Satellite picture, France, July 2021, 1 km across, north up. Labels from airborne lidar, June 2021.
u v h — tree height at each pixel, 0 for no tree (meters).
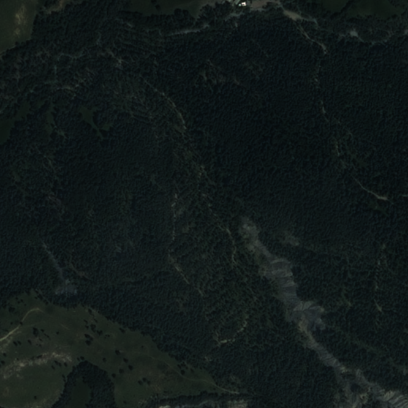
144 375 0
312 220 24
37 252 9
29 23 0
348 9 13
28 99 14
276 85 28
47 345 0
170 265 8
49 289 13
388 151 22
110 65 13
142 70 7
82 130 31
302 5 15
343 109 23
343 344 20
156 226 14
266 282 15
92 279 6
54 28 9
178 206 9
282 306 19
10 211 28
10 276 24
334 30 9
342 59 27
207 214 21
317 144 11
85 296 20
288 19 8
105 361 7
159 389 0
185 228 13
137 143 21
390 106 15
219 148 25
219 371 12
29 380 0
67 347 0
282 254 14
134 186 15
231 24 13
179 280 15
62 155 32
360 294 23
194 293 19
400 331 16
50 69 9
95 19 19
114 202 22
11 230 25
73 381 17
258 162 25
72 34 14
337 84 15
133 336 0
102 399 9
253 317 14
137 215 24
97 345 0
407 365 16
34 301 0
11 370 0
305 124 27
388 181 19
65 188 27
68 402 12
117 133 28
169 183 20
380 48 24
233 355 15
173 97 13
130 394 0
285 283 0
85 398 0
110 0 14
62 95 20
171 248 15
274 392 12
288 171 22
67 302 23
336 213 30
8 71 19
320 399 22
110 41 18
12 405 0
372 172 13
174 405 8
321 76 21
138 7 0
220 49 22
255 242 0
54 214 29
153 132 15
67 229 16
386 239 25
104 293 20
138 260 18
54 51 13
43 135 26
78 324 0
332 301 19
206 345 16
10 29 0
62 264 19
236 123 25
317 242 16
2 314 0
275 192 16
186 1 0
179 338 26
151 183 10
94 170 29
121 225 12
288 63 24
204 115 30
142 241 18
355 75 16
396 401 0
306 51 24
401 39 12
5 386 0
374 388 0
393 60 25
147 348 0
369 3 0
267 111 26
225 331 13
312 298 12
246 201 17
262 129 10
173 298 15
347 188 7
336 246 15
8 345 0
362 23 16
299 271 14
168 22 19
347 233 20
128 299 30
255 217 6
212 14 24
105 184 29
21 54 11
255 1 0
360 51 26
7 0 0
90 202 23
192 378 0
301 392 12
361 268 22
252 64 12
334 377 22
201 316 21
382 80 23
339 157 8
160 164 21
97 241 8
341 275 22
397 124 19
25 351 0
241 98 27
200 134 30
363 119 26
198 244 16
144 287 16
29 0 0
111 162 23
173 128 26
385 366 11
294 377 15
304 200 28
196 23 9
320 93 22
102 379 19
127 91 19
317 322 0
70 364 0
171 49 22
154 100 20
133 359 0
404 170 21
